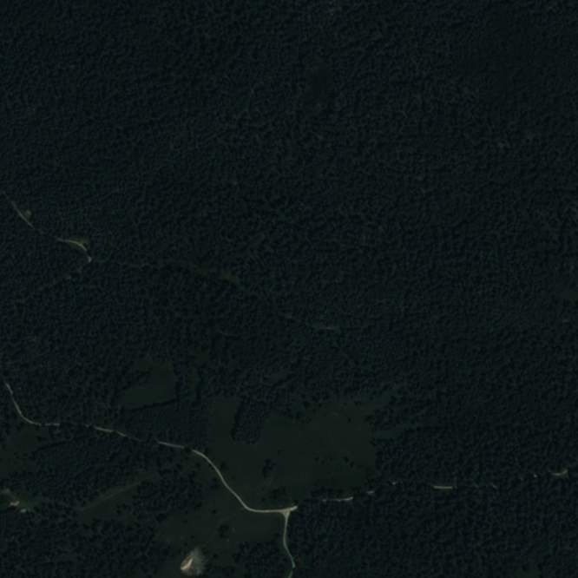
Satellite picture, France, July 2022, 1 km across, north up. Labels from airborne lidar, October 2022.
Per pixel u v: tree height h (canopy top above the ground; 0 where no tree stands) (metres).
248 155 7
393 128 22
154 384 0
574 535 16
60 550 8
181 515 0
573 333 7
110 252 23
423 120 24
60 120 21
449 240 24
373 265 25
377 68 22
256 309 20
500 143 19
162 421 18
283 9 11
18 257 16
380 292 14
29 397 24
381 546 7
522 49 24
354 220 22
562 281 21
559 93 23
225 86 20
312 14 21
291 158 22
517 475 14
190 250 21
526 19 21
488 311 15
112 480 19
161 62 16
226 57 26
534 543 16
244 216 6
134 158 18
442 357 17
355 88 28
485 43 23
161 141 14
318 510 8
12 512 19
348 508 8
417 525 14
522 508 24
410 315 15
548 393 14
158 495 23
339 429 0
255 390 19
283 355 12
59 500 19
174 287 22
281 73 20
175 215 23
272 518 0
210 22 24
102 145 17
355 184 20
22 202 18
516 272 11
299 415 11
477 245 25
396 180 19
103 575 6
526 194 24
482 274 23
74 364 27
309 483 0
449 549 31
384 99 22
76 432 17
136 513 19
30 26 22
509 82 23
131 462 18
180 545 0
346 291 16
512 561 17
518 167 23
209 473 0
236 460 0
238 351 18
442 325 21
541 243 19
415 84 23
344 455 0
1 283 19
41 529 16
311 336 20
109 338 20
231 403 0
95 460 18
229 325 20
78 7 26
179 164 17
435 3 26
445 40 25
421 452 20
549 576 22
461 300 21
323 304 13
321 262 26
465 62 22
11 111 23
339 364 23
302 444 0
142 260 23
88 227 17
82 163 13
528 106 25
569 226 15
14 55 23
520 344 19
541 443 10
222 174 20
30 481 13
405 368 14
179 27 7
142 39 21
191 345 21
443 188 22
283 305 22
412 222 20
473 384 24
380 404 0
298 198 16
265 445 0
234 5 26
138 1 33
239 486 0
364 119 20
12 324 20
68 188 25
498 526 20
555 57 23
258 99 19
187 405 16
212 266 11
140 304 25
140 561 15
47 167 27
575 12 26
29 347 25
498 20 22
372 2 15
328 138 22
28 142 22
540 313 15
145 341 16
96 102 18
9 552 10
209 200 22
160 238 13
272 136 19
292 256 24
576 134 23
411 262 19
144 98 21
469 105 27
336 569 7
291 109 17
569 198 19
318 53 19
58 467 14
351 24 19
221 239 17
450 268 16
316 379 23
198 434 20
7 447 26
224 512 0
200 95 17
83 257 22
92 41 23
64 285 20
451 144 22
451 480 21
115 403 21
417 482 18
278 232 22
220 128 15
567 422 18
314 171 21
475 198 11
